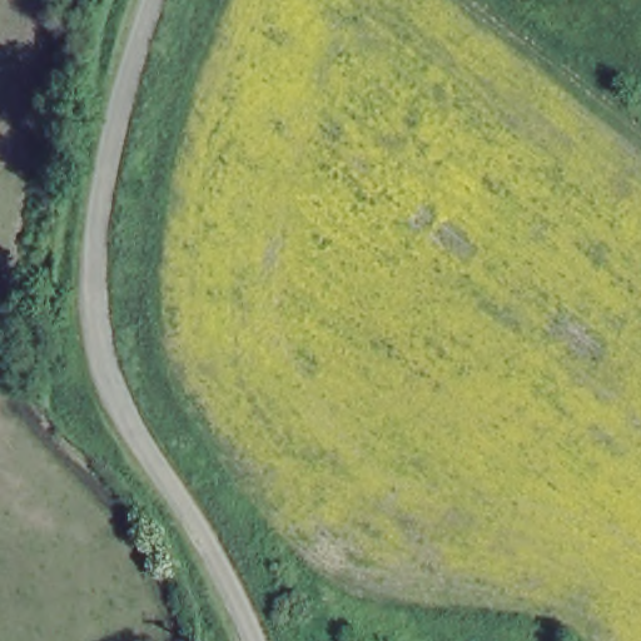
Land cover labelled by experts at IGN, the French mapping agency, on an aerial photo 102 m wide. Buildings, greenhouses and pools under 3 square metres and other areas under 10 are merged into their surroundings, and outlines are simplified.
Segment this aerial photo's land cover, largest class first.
<instances>
[{"label":"agricultural land","instance_id":"1","mask_svg":"<svg viewBox=\"0 0 641 641\"><path fill-rule=\"evenodd\" d=\"M163 346L170 358L168 368L185 386V391L178 396L180 406L190 416L193 426H198L205 433L210 428L218 431V463L240 488L248 503L258 506V513L278 531V536H283L285 546L303 556L313 568L323 571L328 576L326 581L348 598L361 601V596H386L423 606H476L548 616L561 621V641H641V150L631 140L613 133L603 120L591 115L583 105H578L533 63L518 58L491 33L478 30L448 0H230L220 20L215 45L195 85L188 128L173 173L168 228L163 240ZM493 10V15L503 18L511 30H523L531 38H536L538 45L576 63V73L591 75L596 85L603 88L618 105L623 103V95L618 93L613 78H636L641 83V0H481Z\"/></svg>","mask_w":641,"mask_h":641},{"label":"herbaceous vegetation","instance_id":"2","mask_svg":"<svg viewBox=\"0 0 641 641\"><path fill-rule=\"evenodd\" d=\"M55 35L45 28V0H0V303L10 293L8 285L13 265L20 258L15 235L23 228V183H30L38 173L45 175L55 145L53 138L35 123L33 98L38 90L48 85L50 78V70L40 63L43 43ZM138 10V0H113L103 30L98 70L93 73L100 95L95 110L103 125L113 83L120 68V58L125 50V40L130 33V23ZM230 0H165L163 18L150 43V53L145 58L143 78L133 103L125 133V160L115 178V200L110 208L113 228L108 243L110 331L130 398L148 433L153 436L160 453L168 458V463L173 466V471L178 473V478L208 518L210 528L215 531L233 571L238 573L260 618L263 636L268 641H561V621L548 616L476 606H423L386 596H361V601L348 598L326 581L328 576L323 571L313 568L303 556L285 546L283 536H278V531L258 513V506L248 503L240 488L218 463V431L210 428L205 433L198 426H193L190 416L180 406L178 396L185 391V386L168 368L170 358L163 346V240L168 228L173 173L188 128L195 85L215 45L220 20ZM290 588L300 596L305 611H300L298 616H285V623H280L273 613L275 606L290 593ZM478 30L491 33L518 58L533 63L578 105H583L591 115L603 120L613 133L631 140L641 150V113L628 115L623 103L618 105L603 88L596 85L591 75L576 73V63L538 45L536 38H531L523 30H511L503 18L493 15V10L481 0H448ZM88 193L63 190L55 198H50L48 220L55 228L50 245V268L53 283L63 288L65 295H78ZM78 371L60 391L50 393V406H25L23 401H5V396H0V641H185L173 613V586H180L193 603V636L198 641H233L235 631L218 596L213 576L188 543L180 521L163 501L155 483L148 478L140 461L133 456L130 446L123 441L108 408L98 396L88 366L83 333H78V338L73 341ZM140 516H145L148 521H160L165 526V536L173 546V558L180 561L173 568V576L165 581L155 576V568L145 566V553L138 548V536L130 531V526Z\"/></svg>","mask_w":641,"mask_h":641},{"label":"deciduous trees","instance_id":"3","mask_svg":"<svg viewBox=\"0 0 641 641\"><path fill-rule=\"evenodd\" d=\"M113 0H45V28L55 35L43 43L40 63L50 70V78L48 85L38 90L33 98L35 123L53 138L55 145L45 175L50 198H55L63 190L88 193L95 175V155L103 125L95 110L100 95L93 73L98 70L103 30ZM618 93L623 95V103L628 115L641 113V83L636 78H613ZM50 268L43 265V260L30 263L20 258L13 265L8 285L10 293L0 303V396H5V401H23L25 406H50V393L60 391L78 371L73 341L78 338V333H83L78 315V295H65L63 288L53 283ZM130 531L138 536V548L145 553V566L155 568V576L165 581L173 576V568L180 561L173 558V546L165 536V526L160 521H148L145 516H140L130 526ZM300 611H305L300 596L290 588V593L275 606L273 613L280 623H285V616H298Z\"/></svg>","mask_w":641,"mask_h":641},{"label":"impervious surface","instance_id":"4","mask_svg":"<svg viewBox=\"0 0 641 641\"><path fill-rule=\"evenodd\" d=\"M165 0H138V10L130 23V33L125 40V50L120 58V68L113 83L103 125L95 155V175L88 193L78 295V315L83 333L88 366L98 396L108 408L123 441L130 446L133 456L140 461L148 478L155 483L163 501L180 521L188 543L213 576L218 596L235 631L233 641H268L263 636L260 618L238 573L233 571L215 531L210 528L208 518L178 478V473L173 471V466L168 463V458L160 453L153 436L148 433L130 398L110 331L108 243L113 228L110 208L115 200V178L125 160V133L133 103L143 78L145 58L150 53V43L163 18Z\"/></svg>","mask_w":641,"mask_h":641},{"label":"brushwood","instance_id":"5","mask_svg":"<svg viewBox=\"0 0 641 641\"><path fill-rule=\"evenodd\" d=\"M23 228L15 235L20 258L30 263L43 260V265L50 268V245L55 228L48 220L50 198L45 175L38 173L30 183H23ZM173 613L185 641H198L193 636V603L180 586H173Z\"/></svg>","mask_w":641,"mask_h":641}]
</instances>
